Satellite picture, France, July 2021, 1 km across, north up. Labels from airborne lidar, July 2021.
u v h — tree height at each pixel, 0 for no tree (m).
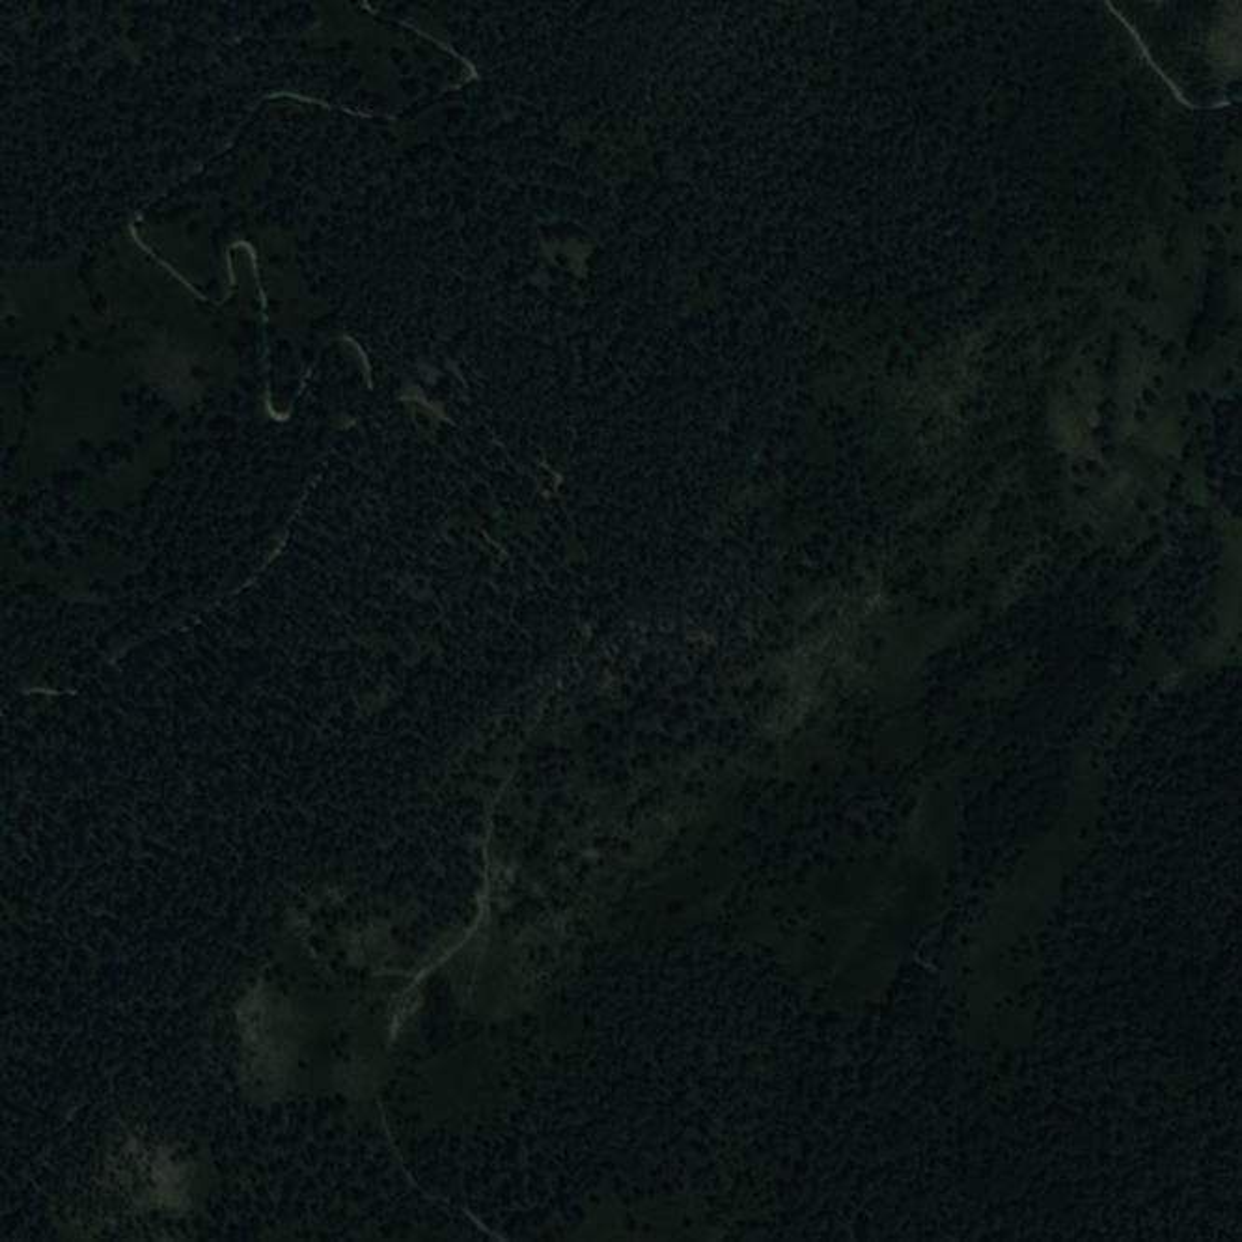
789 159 24
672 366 17
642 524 20
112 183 10
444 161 21
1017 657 10
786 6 18
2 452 20
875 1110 14
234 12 20
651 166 7
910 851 0
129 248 0
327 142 18
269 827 18
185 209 18
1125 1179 8
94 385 0
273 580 7
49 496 7
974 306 10
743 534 23
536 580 17
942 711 13
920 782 15
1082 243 6
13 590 8
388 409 18
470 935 0
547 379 25
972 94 8
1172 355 12
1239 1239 7
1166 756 15
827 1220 16
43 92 16
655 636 15
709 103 8
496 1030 12
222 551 10
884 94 21
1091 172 9
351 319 14
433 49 13
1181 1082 0
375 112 7
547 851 17
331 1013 0
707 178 11
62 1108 23
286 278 0
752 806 21
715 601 17
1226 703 9
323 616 24
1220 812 18
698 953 9
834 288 11
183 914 27
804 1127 23
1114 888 7
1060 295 6
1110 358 7
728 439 24
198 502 16
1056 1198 22
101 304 24
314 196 12
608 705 9
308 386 8
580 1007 6
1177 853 18
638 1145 10
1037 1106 20
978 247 20
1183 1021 20
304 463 16
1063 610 13
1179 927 19
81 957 14
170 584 15
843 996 0
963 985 0
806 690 0
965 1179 21
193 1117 14
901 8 19
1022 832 16
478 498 19
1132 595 7
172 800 19
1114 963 17
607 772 20
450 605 16
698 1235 0
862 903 0
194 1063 15
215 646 29
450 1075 0
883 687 0
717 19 12
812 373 21
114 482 0
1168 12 7
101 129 8
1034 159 8
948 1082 16
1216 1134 10
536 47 17
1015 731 11
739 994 15
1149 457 0
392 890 20
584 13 20
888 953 0
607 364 14
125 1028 26
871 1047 22
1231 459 16
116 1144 7
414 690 25
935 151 27
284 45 15
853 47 12
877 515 21
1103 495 0
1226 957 10
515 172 20
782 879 6
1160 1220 6
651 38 21
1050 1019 7
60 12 11
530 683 13
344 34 0
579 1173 12
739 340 23
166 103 9
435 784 14
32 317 0
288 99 9
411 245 27
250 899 22
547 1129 9
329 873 16
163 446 0
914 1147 7
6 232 26
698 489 22
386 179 10
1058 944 8
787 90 18
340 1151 13
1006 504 10
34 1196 20
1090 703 13
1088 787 0
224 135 13
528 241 17
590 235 8
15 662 18
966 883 10
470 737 15
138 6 7
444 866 18
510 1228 11
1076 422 0
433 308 19
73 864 28
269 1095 0
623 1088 10
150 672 25
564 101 17
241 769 21
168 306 0
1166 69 9
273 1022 0
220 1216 20
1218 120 8
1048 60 12
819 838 7
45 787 11
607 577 14
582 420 18
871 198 26
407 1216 12
